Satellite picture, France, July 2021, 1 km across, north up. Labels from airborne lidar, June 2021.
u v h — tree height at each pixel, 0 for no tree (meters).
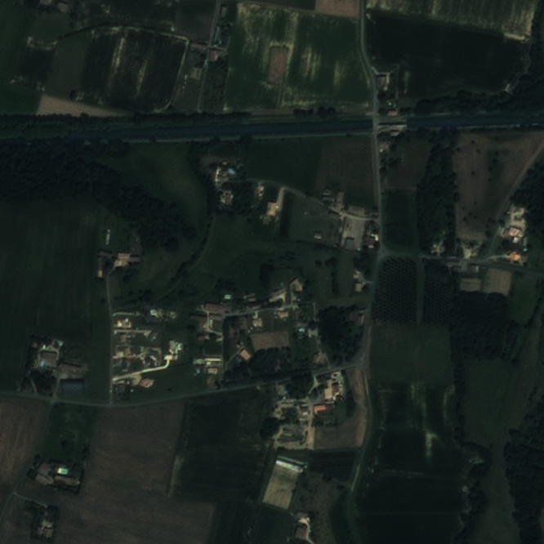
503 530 0
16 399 0
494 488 0
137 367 0
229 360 10
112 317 0
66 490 7
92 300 0
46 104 0
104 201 8
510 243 10
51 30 0
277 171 0
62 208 0
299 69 0
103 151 15
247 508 0
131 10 0
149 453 0
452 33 0
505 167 0
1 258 0
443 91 0
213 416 0
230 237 0
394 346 0
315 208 0
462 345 16
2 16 0
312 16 0
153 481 0
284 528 0
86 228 0
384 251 0
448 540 0
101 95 0
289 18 0
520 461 27
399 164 14
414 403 0
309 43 0
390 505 0
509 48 0
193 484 0
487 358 8
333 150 0
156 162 0
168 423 0
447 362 0
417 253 0
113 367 0
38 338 9
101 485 0
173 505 0
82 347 0
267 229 0
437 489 0
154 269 0
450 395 0
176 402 0
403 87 0
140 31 0
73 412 0
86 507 0
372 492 0
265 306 10
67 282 0
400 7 0
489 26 0
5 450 0
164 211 19
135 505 0
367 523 0
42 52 0
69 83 0
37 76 0
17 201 19
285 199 0
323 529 0
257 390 0
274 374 9
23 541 0
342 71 0
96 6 0
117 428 0
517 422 0
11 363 0
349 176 0
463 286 0
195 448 0
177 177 0
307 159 0
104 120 7
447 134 29
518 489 18
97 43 0
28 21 0
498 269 0
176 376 0
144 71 0
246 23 0
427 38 0
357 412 0
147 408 0
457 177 11
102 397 0
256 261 0
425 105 12
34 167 20
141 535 0
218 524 0
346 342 19
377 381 0
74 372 0
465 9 0
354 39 0
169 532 0
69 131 21
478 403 0
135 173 0
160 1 0
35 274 0
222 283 10
